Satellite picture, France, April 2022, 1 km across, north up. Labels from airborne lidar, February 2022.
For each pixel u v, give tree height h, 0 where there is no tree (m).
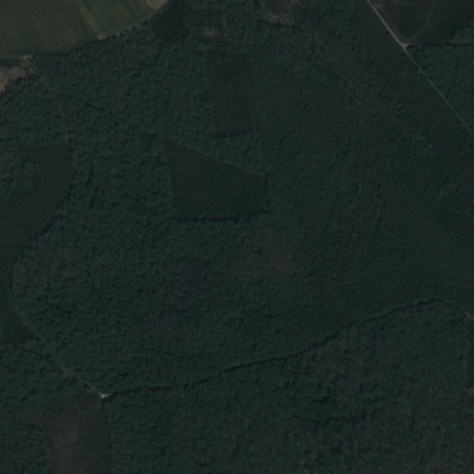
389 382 30
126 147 27
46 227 0
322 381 29
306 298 25
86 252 27
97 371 24
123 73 31
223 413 27
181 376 22
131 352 27
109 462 0
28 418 0
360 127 18
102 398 0
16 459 26
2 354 13
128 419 27
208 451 23
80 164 27
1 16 0
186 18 0
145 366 24
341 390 29
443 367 29
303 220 18
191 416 27
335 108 18
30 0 0
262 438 30
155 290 25
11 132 23
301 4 0
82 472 0
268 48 24
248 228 26
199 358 20
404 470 29
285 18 0
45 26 0
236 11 29
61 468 0
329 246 20
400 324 23
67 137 18
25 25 0
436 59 27
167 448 22
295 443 33
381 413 32
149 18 0
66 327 23
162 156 28
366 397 32
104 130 28
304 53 25
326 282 22
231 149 26
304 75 19
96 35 0
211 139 29
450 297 13
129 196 24
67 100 23
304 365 26
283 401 32
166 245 25
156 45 28
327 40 25
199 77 24
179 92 29
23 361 26
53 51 0
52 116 21
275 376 27
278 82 17
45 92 25
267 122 15
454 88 26
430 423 31
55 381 29
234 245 29
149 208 27
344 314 14
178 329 26
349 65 29
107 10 0
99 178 27
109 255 29
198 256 27
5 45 0
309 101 17
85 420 0
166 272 20
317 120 16
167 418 22
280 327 25
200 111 30
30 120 31
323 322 20
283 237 27
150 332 20
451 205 16
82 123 27
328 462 33
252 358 26
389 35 15
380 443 29
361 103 23
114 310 23
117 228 28
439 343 27
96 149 24
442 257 17
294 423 30
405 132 19
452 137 18
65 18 0
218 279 29
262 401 28
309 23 21
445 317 25
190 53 29
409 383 32
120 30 0
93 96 26
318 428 25
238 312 30
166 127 26
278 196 23
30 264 28
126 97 25
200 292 24
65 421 0
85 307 24
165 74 26
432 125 16
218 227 27
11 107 26
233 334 28
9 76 0
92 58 21
